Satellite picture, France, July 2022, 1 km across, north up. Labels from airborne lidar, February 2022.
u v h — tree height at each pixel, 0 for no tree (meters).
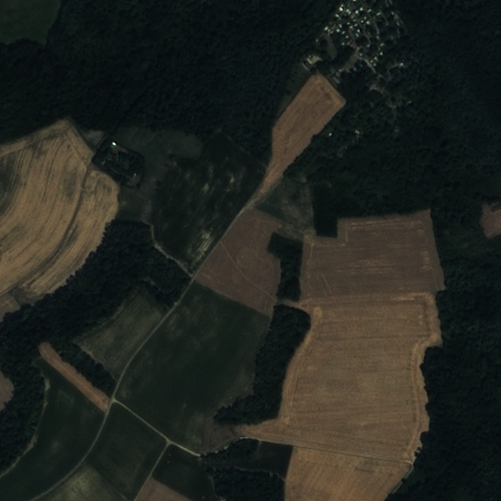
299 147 0
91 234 0
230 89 18
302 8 18
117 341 0
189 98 16
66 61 6
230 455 15
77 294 19
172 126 14
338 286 0
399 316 0
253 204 0
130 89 18
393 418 0
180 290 17
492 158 19
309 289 0
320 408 0
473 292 11
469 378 12
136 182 0
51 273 0
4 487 0
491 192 0
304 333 18
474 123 14
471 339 20
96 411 0
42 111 13
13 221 0
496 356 21
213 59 17
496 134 17
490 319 15
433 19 20
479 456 7
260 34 19
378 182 12
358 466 0
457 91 19
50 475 0
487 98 17
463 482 9
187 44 22
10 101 15
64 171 0
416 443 0
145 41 21
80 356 17
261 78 15
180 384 0
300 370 0
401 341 0
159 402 0
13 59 7
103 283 18
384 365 0
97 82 9
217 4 26
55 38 18
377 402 0
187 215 0
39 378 17
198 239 0
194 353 0
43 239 0
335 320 0
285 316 15
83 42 9
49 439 0
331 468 0
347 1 6
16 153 0
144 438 0
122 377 0
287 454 0
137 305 0
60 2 0
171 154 0
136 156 7
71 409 0
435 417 10
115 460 0
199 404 0
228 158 0
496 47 12
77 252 0
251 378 0
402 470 0
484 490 13
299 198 0
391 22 14
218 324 0
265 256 0
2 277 0
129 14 17
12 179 0
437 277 0
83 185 0
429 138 28
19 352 19
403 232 0
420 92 11
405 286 0
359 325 0
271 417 13
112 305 7
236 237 0
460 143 6
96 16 21
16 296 0
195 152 0
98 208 0
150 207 0
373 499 0
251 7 19
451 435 11
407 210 12
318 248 0
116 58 19
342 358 0
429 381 20
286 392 0
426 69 14
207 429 0
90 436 0
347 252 0
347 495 0
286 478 0
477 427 8
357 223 0
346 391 0
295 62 13
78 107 8
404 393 0
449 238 0
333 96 0
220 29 24
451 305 12
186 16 22
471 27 15
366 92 19
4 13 0
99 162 8
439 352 16
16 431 19
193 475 0
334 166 7
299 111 0
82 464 0
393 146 16
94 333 0
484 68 16
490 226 0
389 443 0
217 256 0
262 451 0
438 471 24
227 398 0
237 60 13
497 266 7
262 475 14
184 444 0
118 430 0
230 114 17
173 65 26
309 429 0
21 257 0
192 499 0
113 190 0
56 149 0
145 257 18
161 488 0
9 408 21
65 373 0
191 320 0
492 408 25
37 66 12
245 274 0
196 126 16
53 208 0
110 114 14
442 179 16
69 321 23
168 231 0
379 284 0
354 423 0
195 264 0
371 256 0
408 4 21
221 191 0
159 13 22
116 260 19
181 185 0
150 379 0
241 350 0
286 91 9
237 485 21
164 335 0
